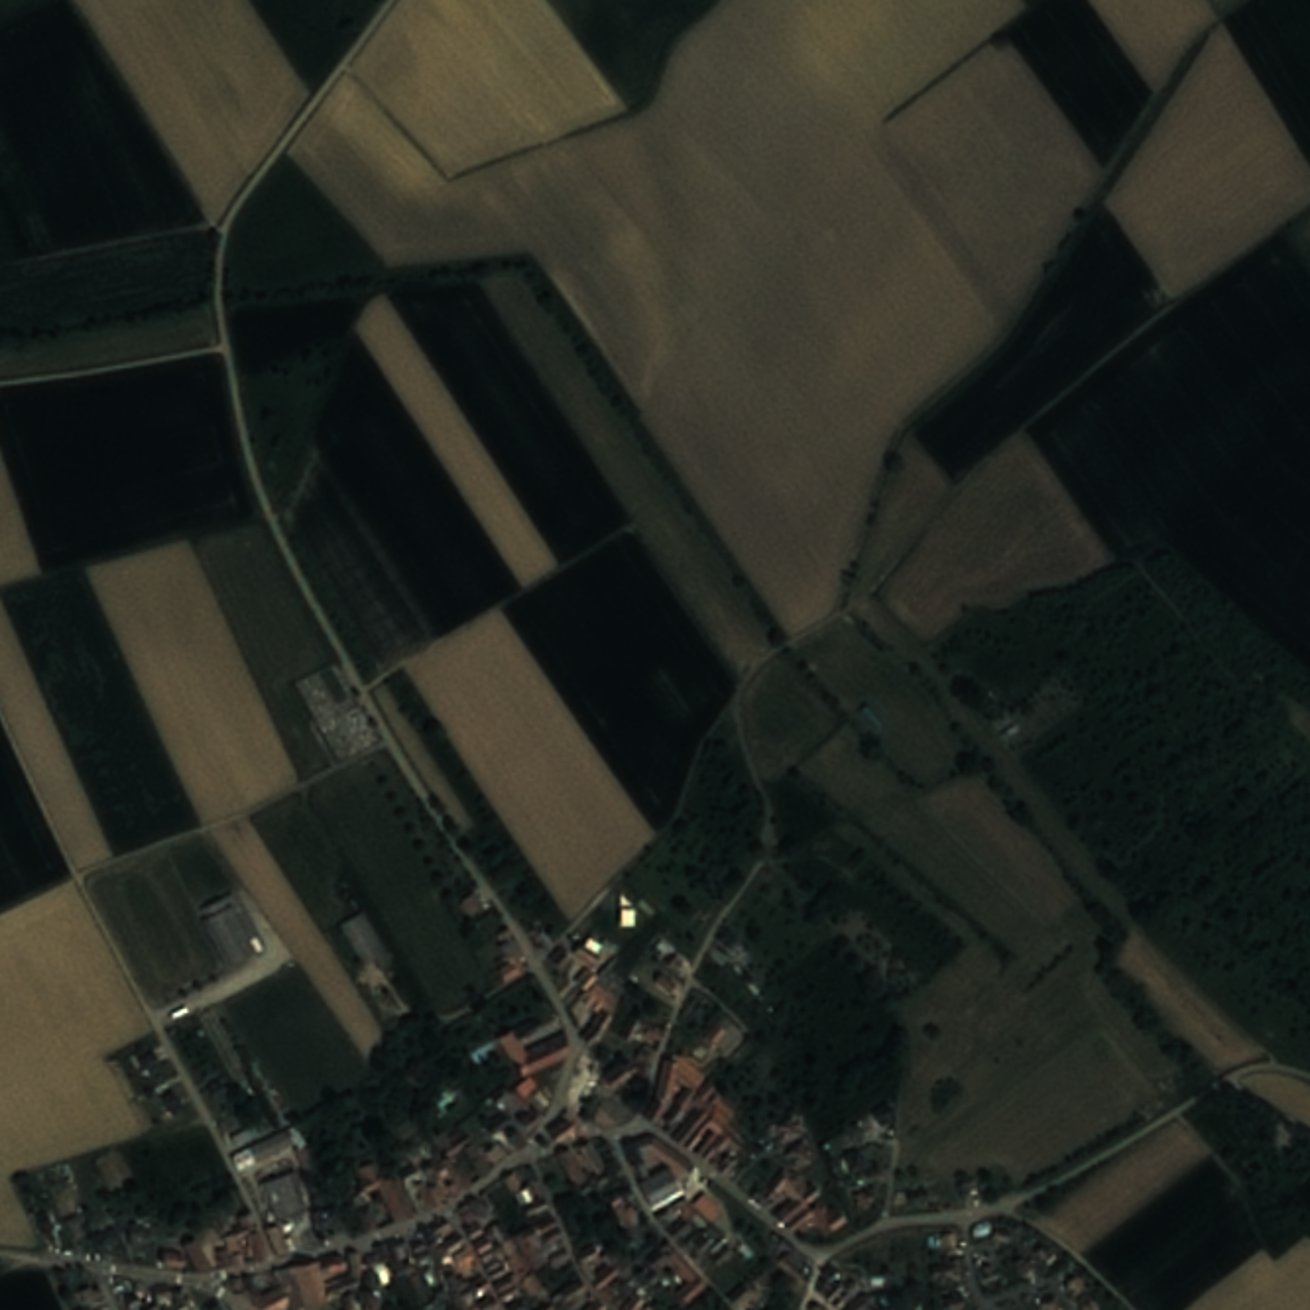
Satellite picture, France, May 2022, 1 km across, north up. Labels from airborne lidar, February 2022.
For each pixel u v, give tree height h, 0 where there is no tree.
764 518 0
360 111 0
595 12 0
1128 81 0
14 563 0
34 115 0
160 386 0
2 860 0
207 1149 0
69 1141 0
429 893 0
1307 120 0
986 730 0
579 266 0
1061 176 0
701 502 0
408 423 0
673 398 0
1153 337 0
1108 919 15
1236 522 0
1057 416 0
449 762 0
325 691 0
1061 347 0
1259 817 7
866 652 0
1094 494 0
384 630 0
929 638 0
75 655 0
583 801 0
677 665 0
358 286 7
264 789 0
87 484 0
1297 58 0
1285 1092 0
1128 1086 0
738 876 18
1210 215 0
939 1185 0
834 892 7
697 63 0
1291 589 0
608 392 9
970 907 0
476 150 0
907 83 0
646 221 0
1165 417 0
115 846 0
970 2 0
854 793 0
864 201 0
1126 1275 0
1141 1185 0
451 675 0
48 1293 0
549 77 0
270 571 0
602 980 0
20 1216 0
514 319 0
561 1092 0
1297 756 12
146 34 0
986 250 0
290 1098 0
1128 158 0
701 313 0
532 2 0
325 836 0
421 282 0
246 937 0
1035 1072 0
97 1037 0
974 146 0
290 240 0
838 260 0
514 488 0
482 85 0
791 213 0
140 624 0
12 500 0
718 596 0
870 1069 15
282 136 0
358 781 0
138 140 0
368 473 0
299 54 0
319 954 0
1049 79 0
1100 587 8
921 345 0
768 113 0
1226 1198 0
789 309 0
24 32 0
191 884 0
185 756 0
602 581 0
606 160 0
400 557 0
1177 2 0
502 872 16
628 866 0
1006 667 0
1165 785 6
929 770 0
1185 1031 0
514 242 0
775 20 0
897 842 0
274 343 0
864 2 0
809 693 0
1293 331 0
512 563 0
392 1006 0
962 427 0
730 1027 0
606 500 0
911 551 0
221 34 0
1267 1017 0
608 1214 8
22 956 0
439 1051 11
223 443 0
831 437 0
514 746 0
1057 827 0
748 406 0
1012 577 0
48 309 0
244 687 0
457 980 0
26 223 0
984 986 0
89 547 0
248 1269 0
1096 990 0
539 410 0
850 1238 0
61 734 0
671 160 0
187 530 0
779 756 0
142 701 0
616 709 0
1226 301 0
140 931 0
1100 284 0
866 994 8
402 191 0
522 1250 0
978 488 0
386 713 0
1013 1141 0
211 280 6
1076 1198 0
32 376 0
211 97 0
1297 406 0
